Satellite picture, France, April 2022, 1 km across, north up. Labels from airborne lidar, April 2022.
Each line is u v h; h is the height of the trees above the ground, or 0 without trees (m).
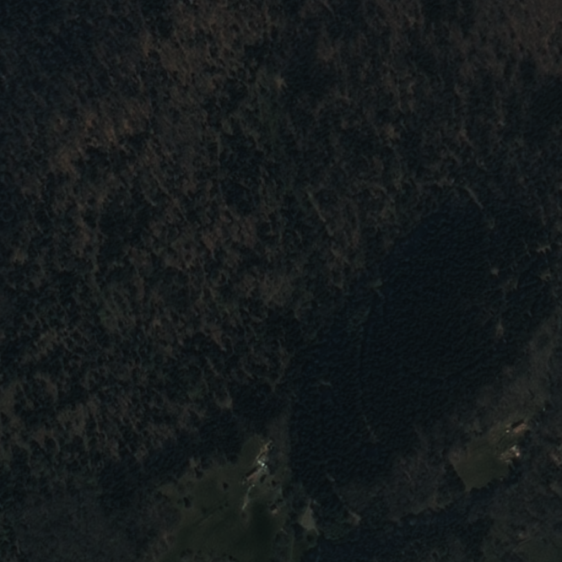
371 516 32
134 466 23
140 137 14
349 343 38
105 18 24
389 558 22
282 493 0
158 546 18
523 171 22
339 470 24
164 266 34
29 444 13
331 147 26
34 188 24
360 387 28
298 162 29
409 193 23
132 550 26
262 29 28
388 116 28
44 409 11
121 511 8
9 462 17
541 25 15
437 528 25
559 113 21
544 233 28
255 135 9
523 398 18
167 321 34
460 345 28
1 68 12
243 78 10
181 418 15
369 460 30
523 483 23
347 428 30
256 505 0
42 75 21
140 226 14
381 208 28
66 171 25
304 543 0
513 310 30
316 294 28
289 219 28
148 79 25
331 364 36
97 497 33
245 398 21
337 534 31
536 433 23
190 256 36
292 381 27
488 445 0
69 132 14
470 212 22
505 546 11
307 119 25
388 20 16
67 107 20
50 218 13
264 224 14
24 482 19
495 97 25
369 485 27
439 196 26
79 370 14
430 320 33
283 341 11
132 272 16
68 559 37
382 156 24
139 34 25
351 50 25
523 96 21
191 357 34
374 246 28
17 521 28
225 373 34
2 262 12
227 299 18
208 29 29
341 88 21
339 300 30
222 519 0
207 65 34
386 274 26
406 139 20
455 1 24
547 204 25
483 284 26
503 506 30
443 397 29
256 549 0
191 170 30
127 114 27
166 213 29
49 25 29
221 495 0
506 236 28
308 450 28
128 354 22
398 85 25
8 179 7
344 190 27
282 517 0
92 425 12
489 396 26
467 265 28
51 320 12
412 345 27
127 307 19
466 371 28
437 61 29
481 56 21
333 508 35
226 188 34
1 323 19
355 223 21
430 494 31
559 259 21
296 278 26
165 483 9
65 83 27
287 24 21
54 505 34
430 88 21
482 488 0
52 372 12
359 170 22
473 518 27
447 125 23
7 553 15
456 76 20
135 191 13
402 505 31
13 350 16
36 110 24
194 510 0
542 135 22
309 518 0
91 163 13
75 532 35
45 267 23
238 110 14
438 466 32
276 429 25
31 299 13
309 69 24
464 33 16
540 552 0
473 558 18
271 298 25
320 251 18
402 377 27
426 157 21
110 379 17
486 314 27
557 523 32
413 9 19
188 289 15
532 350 24
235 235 28
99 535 32
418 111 24
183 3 23
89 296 7
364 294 30
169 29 6
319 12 17
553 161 26
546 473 15
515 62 19
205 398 15
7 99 27
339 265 21
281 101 25
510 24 20
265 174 8
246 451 0
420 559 25
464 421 29
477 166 27
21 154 19
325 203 21
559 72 18
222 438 29
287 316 17
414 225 23
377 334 35
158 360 11
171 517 23
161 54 22
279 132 30
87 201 28
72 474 18
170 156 28
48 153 23
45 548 31
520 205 18
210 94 23
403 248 31
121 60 23
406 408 26
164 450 16
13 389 15
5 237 10
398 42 27
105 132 24
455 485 29
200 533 0
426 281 37
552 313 20
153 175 26
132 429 12
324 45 16
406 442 25
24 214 29
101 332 31
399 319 25
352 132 21
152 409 14
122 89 11
